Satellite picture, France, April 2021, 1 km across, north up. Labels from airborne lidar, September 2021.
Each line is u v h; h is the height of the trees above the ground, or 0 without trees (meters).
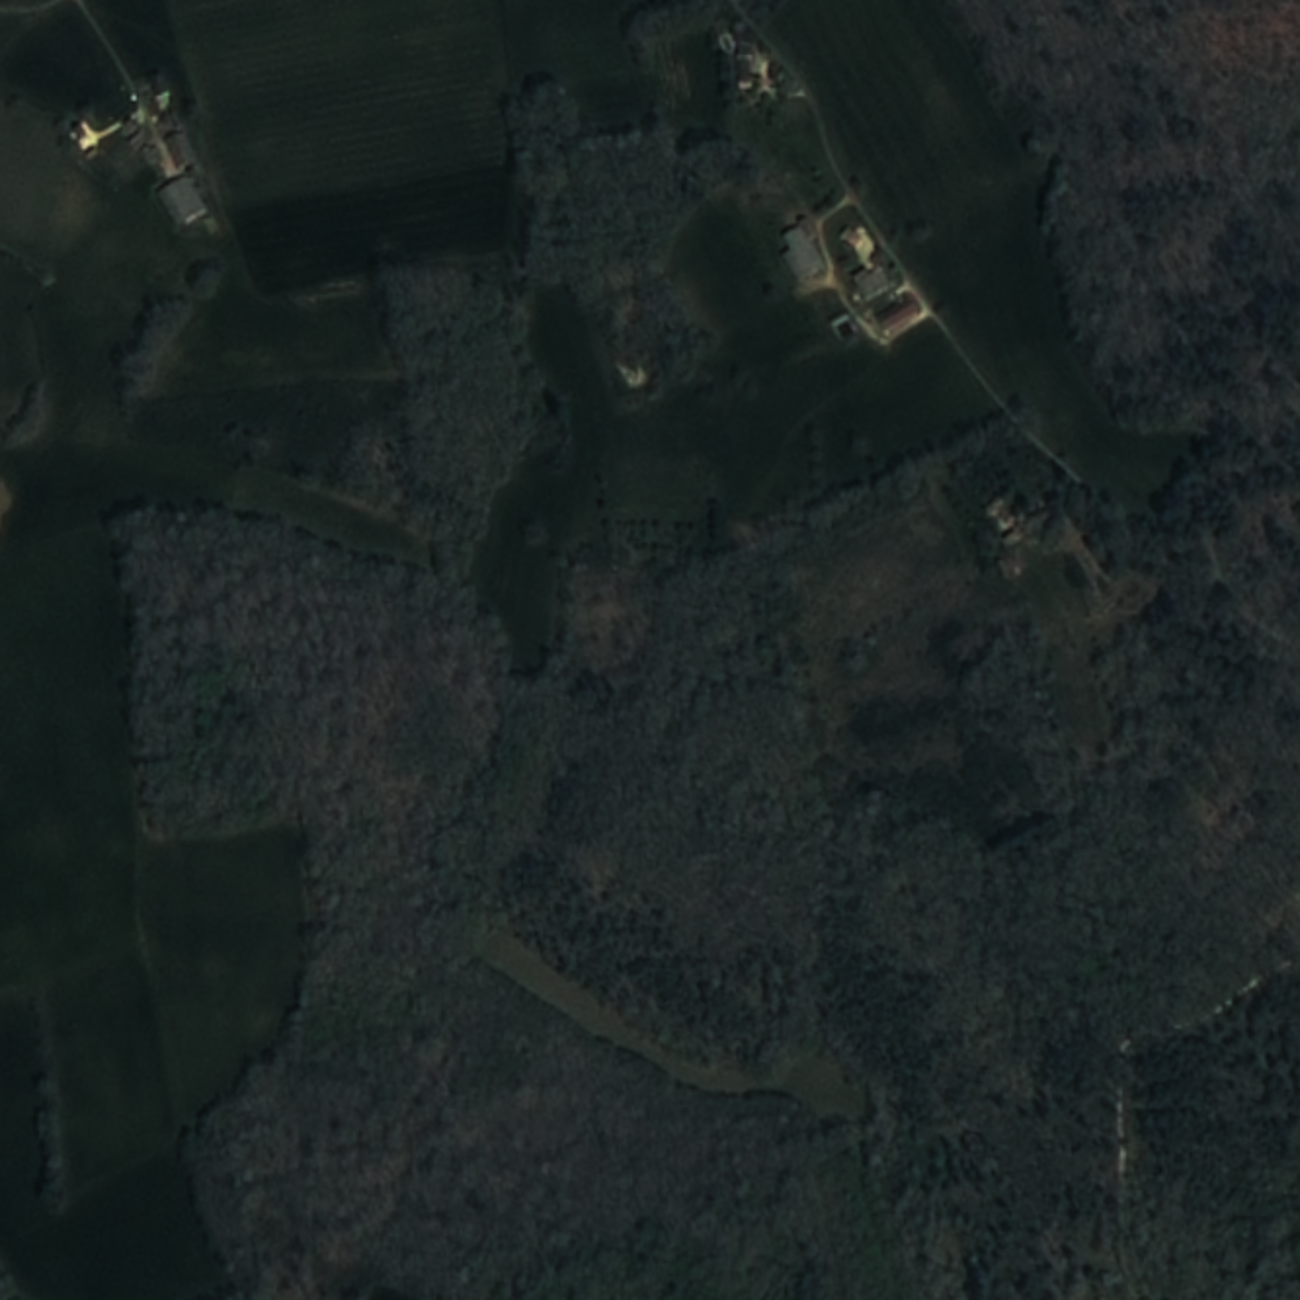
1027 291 0
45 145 0
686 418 0
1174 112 26
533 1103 19
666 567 10
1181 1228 21
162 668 20
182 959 0
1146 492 0
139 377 22
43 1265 0
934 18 0
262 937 0
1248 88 19
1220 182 16
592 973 11
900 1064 20
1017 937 24
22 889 0
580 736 21
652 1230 17
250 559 20
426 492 15
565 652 10
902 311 0
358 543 0
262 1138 25
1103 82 15
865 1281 21
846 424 0
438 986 17
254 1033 0
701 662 24
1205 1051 18
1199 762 21
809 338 0
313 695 20
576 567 13
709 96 0
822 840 17
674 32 21
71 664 0
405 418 17
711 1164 11
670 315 21
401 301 21
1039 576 0
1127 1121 9
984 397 0
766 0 9
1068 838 21
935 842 23
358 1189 19
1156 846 19
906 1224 12
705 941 14
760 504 0
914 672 0
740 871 14
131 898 0
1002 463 12
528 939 8
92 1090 0
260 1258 18
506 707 26
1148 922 25
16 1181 0
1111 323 19
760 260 0
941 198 0
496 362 17
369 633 21
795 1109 15
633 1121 22
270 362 0
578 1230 21
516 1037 16
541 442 6
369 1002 23
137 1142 0
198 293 21
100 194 0
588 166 23
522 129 16
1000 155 0
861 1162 18
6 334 0
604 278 18
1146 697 23
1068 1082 26
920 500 7
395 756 22
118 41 0
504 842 24
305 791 15
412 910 24
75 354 0
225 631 22
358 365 0
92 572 0
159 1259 0
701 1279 18
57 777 0
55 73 0
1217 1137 22
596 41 0
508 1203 16
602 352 0
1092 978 20
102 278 0
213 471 0
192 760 18
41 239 0
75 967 0
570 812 19
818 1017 23
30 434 18
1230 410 7
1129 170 13
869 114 0
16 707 0
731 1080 0
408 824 15
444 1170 16
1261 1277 19
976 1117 8
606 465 0
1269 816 24
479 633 19
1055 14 15
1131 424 25
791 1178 15
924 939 21
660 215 15
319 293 0
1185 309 14
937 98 0
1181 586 13
